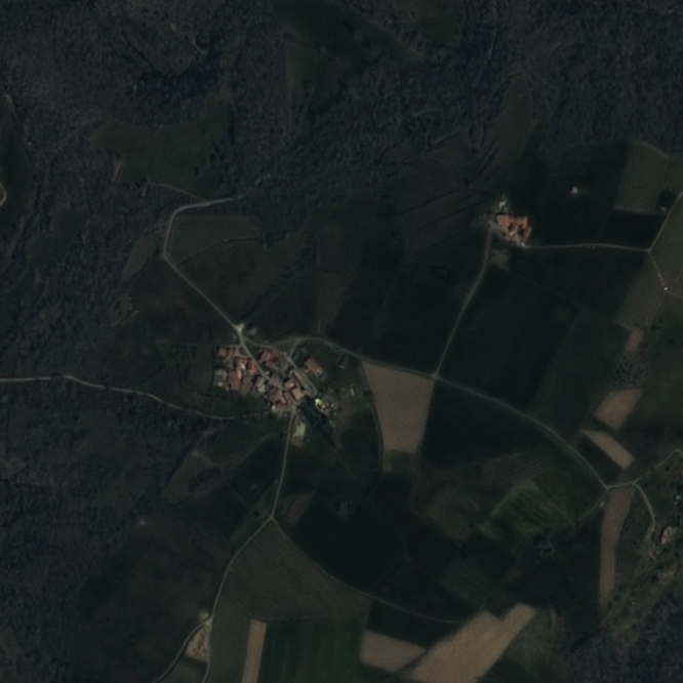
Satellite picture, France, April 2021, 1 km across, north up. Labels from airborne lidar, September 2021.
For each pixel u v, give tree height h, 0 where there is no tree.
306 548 0
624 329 0
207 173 0
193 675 0
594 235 0
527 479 0
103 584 0
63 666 9
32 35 21
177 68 14
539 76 11
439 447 0
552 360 0
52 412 15
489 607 0
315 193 9
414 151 0
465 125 17
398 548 0
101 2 17
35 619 19
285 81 16
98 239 16
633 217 0
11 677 0
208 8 15
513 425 0
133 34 7
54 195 6
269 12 8
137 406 10
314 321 0
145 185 10
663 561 9
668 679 17
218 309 0
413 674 0
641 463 0
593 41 12
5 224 0
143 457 0
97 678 0
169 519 0
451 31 0
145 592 0
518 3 11
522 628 0
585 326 0
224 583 0
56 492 14
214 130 0
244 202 7
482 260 0
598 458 0
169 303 0
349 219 0
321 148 13
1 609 15
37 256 0
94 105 7
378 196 6
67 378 8
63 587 11
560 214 0
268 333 0
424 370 0
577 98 19
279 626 0
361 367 0
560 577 0
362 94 16
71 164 11
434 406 0
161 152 0
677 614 21
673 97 26
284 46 12
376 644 0
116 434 0
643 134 10
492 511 0
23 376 0
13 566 10
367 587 0
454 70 21
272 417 6
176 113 21
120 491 0
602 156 0
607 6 20
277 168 13
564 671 0
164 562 0
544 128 13
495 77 11
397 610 0
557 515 0
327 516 0
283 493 0
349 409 0
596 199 0
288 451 0
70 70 23
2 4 16
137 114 15
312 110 0
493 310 0
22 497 24
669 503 0
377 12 20
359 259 0
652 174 0
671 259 0
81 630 0
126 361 0
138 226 9
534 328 0
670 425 0
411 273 0
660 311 0
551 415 0
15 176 0
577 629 0
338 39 0
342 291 0
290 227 8
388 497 0
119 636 0
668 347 0
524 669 0
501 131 0
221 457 0
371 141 15
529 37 19
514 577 0
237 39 9
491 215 0
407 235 0
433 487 0
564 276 0
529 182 0
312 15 0
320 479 0
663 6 9
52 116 8
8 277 16
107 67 23
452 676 0
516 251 0
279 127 14
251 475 0
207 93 18
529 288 0
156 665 0
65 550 14
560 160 0
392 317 0
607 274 0
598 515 0
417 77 11
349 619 0
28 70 9
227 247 0
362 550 0
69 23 15
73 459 0
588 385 0
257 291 0
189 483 0
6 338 6
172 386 0
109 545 11
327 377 0
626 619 12
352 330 0
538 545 21
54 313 8
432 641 0
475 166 0
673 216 0
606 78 22
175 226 0
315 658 0
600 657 23
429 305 0
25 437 6
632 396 0
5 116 0
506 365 0
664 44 26
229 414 0
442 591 0
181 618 0
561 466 0
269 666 0
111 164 14
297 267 0
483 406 0
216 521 0
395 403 0
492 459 0
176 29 8
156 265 0
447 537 0
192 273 0
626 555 0
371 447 0
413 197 0
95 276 9
